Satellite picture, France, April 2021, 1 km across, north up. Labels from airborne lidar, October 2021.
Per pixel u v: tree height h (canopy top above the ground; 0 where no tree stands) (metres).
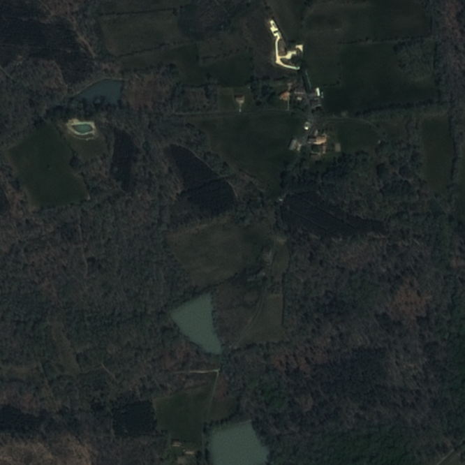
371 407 25
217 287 6
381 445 21
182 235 0
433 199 7
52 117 20
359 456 13
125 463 0
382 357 26
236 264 0
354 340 12
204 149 25
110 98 0
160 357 7
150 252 15
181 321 0
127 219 20
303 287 18
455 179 16
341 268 8
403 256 9
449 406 27
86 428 15
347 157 15
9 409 11
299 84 7
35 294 20
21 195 15
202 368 14
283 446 21
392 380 17
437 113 18
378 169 0
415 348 13
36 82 24
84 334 16
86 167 11
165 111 22
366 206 20
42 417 7
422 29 0
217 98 8
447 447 12
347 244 17
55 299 12
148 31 0
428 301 14
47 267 9
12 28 11
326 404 11
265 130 0
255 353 19
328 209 13
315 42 0
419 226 25
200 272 0
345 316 18
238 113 0
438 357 16
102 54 9
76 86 15
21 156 0
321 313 17
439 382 20
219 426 11
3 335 16
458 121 12
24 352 17
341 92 0
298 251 7
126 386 10
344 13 0
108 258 17
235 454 0
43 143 0
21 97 27
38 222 13
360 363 23
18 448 0
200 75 0
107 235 17
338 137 0
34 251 7
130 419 12
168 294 12
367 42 9
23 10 10
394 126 0
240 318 0
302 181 15
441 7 15
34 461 0
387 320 20
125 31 0
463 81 12
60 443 9
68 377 6
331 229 14
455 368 25
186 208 6
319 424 7
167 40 0
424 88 0
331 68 0
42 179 0
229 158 0
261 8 0
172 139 28
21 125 23
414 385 14
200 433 0
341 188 19
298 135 0
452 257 13
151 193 20
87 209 16
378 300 15
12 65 18
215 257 0
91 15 25
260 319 0
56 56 7
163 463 13
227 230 0
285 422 27
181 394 0
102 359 16
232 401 0
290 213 10
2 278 18
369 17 0
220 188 12
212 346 0
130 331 24
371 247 14
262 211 11
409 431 17
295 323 18
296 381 23
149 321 24
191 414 0
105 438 8
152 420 10
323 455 18
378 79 0
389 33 0
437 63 10
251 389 22
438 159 0
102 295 14
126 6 0
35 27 11
